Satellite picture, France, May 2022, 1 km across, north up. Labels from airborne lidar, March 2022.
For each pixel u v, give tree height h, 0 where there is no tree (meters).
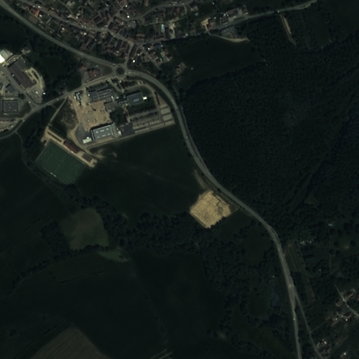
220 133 23
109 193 0
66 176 0
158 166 0
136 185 0
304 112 0
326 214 13
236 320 0
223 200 0
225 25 0
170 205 0
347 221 0
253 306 0
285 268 0
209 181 0
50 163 0
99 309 0
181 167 0
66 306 0
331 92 20
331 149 0
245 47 0
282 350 0
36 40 20
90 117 0
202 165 0
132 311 0
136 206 0
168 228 22
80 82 0
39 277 0
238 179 19
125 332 0
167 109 0
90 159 0
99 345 0
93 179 0
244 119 19
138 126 0
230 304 17
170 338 0
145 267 0
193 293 0
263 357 14
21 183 0
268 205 16
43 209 0
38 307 0
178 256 0
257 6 0
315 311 0
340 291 0
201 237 24
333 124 18
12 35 0
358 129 33
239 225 0
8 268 0
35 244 0
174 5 0
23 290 0
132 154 0
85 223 0
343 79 29
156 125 0
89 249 20
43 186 0
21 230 0
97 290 0
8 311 0
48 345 0
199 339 0
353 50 22
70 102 0
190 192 0
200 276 0
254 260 0
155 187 0
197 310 0
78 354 0
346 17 0
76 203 9
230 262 21
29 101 0
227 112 23
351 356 0
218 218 0
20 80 0
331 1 0
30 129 0
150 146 0
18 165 0
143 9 0
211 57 0
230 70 0
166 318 0
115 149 0
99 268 0
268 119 15
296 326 0
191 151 0
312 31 7
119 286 0
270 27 22
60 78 17
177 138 0
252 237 0
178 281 0
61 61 0
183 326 0
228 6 0
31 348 0
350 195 26
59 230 24
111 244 0
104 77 0
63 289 0
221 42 0
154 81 0
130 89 0
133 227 0
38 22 0
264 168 16
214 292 0
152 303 0
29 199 0
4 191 0
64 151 0
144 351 0
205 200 0
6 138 0
